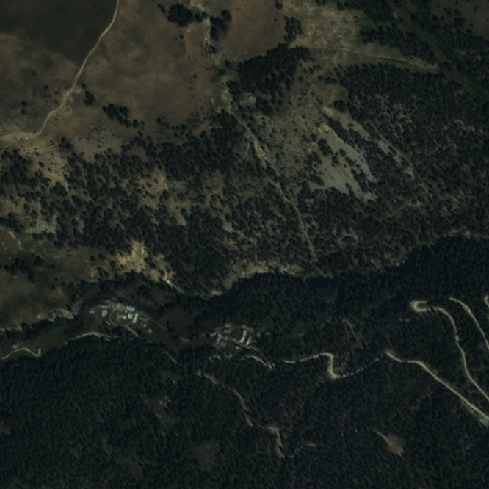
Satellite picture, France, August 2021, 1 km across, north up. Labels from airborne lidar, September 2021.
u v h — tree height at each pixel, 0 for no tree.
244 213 23
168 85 0
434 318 17
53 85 0
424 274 13
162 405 0
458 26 15
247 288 13
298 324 21
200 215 19
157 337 0
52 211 18
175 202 0
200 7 0
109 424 12
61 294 0
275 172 25
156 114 0
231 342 0
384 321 14
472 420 17
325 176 0
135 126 13
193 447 23
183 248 22
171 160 23
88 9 0
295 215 8
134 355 17
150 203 0
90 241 18
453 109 9
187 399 20
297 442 12
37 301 0
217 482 11
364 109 10
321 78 19
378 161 8
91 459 10
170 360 9
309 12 0
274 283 24
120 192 17
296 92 0
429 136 9
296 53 18
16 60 0
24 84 0
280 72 24
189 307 9
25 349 0
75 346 19
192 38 0
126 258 0
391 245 22
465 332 9
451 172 15
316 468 15
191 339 10
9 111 0
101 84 0
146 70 0
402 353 21
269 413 14
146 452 19
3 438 0
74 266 0
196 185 17
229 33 0
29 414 20
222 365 13
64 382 21
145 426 18
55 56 0
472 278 14
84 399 17
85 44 0
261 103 19
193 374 17
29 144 0
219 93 0
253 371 9
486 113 25
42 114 0
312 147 0
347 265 13
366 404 14
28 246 0
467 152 7
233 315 21
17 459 18
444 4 0
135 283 15
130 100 0
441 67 7
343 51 0
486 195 21
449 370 7
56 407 16
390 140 27
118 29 0
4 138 0
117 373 12
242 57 0
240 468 14
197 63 0
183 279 23
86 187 15
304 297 14
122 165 15
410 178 21
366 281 24
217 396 9
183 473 13
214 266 19
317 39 0
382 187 19
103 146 0
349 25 0
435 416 15
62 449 16
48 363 23
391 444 0
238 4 0
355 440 14
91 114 0
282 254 20
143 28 0
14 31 0
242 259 15
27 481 13
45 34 0
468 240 7
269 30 0
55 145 0
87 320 0
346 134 17
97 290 0
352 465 12
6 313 0
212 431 16
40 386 20
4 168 8
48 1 0
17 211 0
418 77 25
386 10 26
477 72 23
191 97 0
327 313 17
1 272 0
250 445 15
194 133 0
